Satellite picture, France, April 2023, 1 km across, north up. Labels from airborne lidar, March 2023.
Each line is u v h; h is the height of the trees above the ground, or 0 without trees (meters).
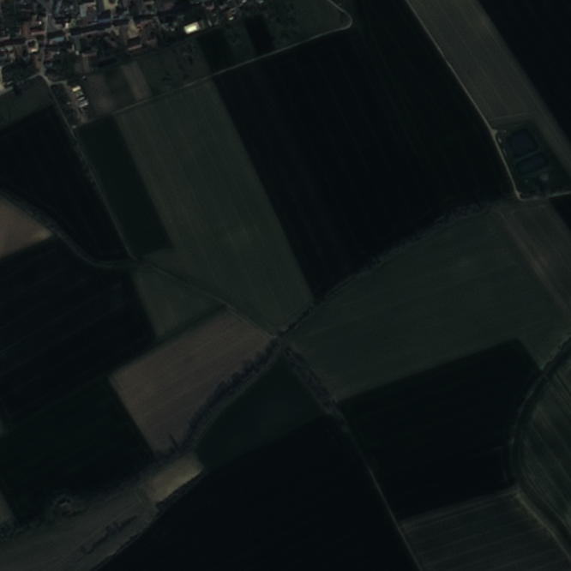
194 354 0
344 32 0
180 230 0
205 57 0
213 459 0
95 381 0
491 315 0
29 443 0
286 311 0
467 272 0
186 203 0
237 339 0
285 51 0
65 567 0
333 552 0
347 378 0
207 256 0
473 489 0
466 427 0
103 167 0
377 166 0
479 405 0
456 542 0
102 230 0
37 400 0
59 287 0
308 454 0
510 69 0
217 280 0
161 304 0
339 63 0
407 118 0
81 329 0
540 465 0
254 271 0
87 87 0
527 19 0
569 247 0
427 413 0
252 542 0
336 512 0
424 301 0
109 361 0
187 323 0
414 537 0
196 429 18
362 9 0
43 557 0
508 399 0
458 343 0
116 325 0
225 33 0
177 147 0
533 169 0
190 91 0
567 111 0
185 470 0
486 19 0
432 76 0
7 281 0
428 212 0
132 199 0
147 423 0
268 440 0
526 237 0
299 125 0
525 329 0
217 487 0
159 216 0
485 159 0
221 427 0
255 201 0
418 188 0
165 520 0
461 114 0
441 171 0
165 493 0
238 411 0
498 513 0
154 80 0
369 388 0
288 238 0
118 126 0
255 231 0
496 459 0
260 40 0
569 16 0
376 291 0
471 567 0
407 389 0
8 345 0
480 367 0
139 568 0
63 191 0
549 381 0
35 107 0
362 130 0
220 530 0
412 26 0
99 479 0
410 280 0
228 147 0
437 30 0
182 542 0
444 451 0
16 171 0
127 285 0
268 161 0
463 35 0
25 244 0
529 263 0
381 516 0
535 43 0
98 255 0
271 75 0
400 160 0
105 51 10
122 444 0
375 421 0
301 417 0
